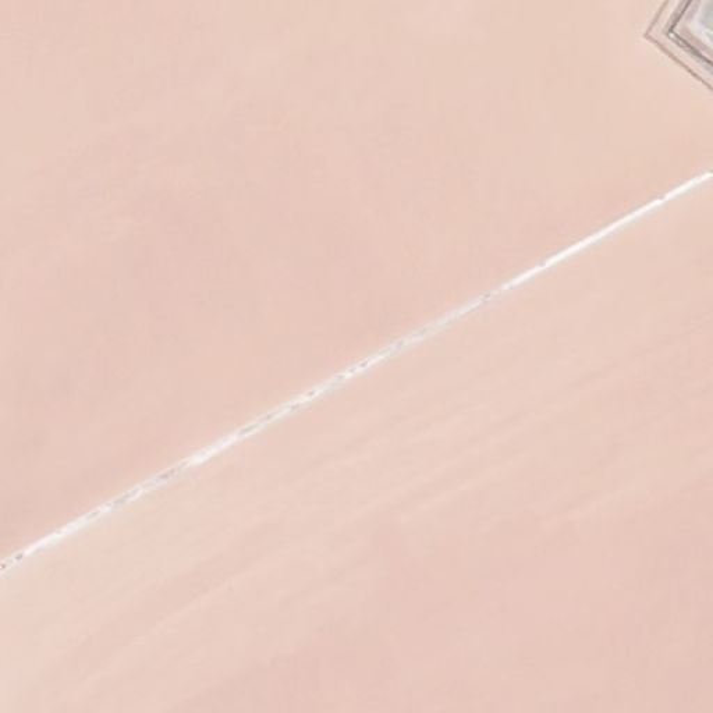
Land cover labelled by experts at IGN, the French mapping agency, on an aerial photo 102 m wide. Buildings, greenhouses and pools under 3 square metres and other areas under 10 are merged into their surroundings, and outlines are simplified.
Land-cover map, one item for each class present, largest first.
<instances>
[{"label":"water","instance_id":"1","mask_svg":"<svg viewBox=\"0 0 713 713\"><path fill-rule=\"evenodd\" d=\"M660 0H0V557L64 526L67 521L84 515L89 507L103 504L111 493L125 490L139 479L150 476L156 468L195 454L198 448L234 432L240 423L256 418L262 409H270L284 398L298 395L304 387H312L329 373L354 365L359 357L379 351L384 343L412 331L418 323L434 320L437 315L460 306L476 292L490 290L507 279H512L518 287L493 312H471L468 318L451 323L434 340H426L409 348L407 354L382 362L370 373L348 382L345 387L323 395L315 404H306L301 412L284 418L273 429L231 446L228 451L212 457L203 465L189 468L178 482L142 496L128 512L106 515L100 524L67 538L53 549L33 554L28 568H17L11 577L0 579V713H713V95L643 39V31ZM691 33L713 50V0H696Z\"/></svg>","mask_w":713,"mask_h":713},{"label":"pervious surface","instance_id":"2","mask_svg":"<svg viewBox=\"0 0 713 713\"><path fill-rule=\"evenodd\" d=\"M696 0H660L643 31V39L713 95V50L691 33ZM518 287L512 279H507L490 290L476 292L460 306L437 315L434 320L418 323L412 331L384 343L379 351L359 357L354 365L329 373L312 387H304L298 395L284 398L270 409H262L256 418L240 423L234 432L198 448L195 454L156 468L150 476L139 479L125 490L111 493L103 504L89 507L84 515L67 521L64 526L0 557V579L11 577L17 568H28L33 554L53 549L67 538L100 524L106 515L128 512L142 496L178 482L189 468L203 465L212 457L228 451L231 446L273 429L284 418L301 412L306 404H315L323 395L345 387L348 382L370 373L382 362L407 354L409 348L426 340H434L451 323L468 318L471 312H493Z\"/></svg>","mask_w":713,"mask_h":713}]
</instances>
